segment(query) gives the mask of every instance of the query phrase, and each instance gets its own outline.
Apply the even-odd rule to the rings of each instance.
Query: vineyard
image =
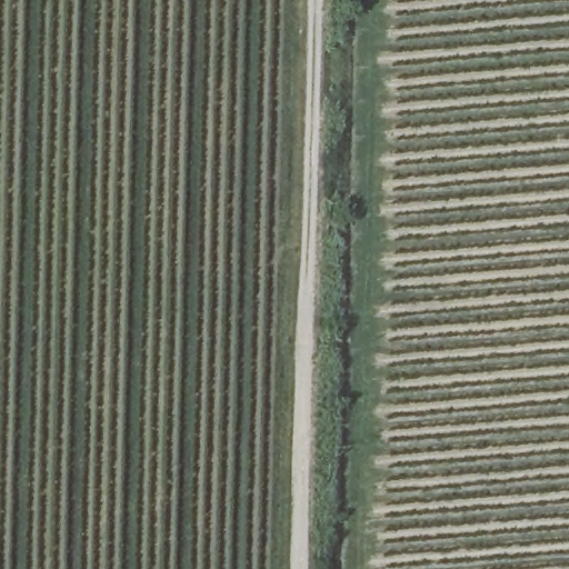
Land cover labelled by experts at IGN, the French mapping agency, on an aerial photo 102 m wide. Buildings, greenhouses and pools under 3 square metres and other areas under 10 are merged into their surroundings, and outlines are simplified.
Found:
[[[307,0],[0,0],[0,569],[291,569],[296,327],[302,249],[307,107]]]
[[[353,198],[349,200],[349,211],[358,220],[351,227],[345,224],[345,231],[340,236],[340,309],[345,318],[345,329],[338,342],[342,396],[340,449],[336,467],[338,513],[333,529],[336,540],[331,545],[329,556],[316,556],[313,560],[309,558],[309,569],[569,569],[569,0],[353,0],[360,2],[360,7],[347,20],[345,49],[340,58],[340,111],[345,113],[345,129],[338,142],[338,162],[351,164],[349,189]]]

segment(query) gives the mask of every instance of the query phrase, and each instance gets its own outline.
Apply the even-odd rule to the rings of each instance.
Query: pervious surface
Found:
[[[309,569],[309,558],[309,485],[313,462],[311,356],[316,316],[313,305],[316,287],[320,280],[318,184],[322,173],[320,91],[325,0],[307,0],[307,107],[302,249],[296,327],[291,569]]]

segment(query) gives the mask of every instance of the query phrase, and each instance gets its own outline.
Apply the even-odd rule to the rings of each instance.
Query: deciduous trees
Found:
[[[340,236],[345,231],[345,224],[351,227],[358,220],[349,211],[349,200],[353,198],[349,189],[351,164],[338,162],[338,142],[345,129],[345,113],[340,111],[340,58],[345,49],[347,20],[360,7],[360,2],[353,0],[325,0],[320,91],[322,173],[318,184],[320,280],[316,287],[313,305],[316,316],[311,356],[313,462],[309,485],[309,558],[313,560],[316,556],[329,556],[331,545],[336,540],[333,529],[338,513],[336,467],[340,449],[342,396],[338,342],[345,329],[345,318],[340,309]]]

